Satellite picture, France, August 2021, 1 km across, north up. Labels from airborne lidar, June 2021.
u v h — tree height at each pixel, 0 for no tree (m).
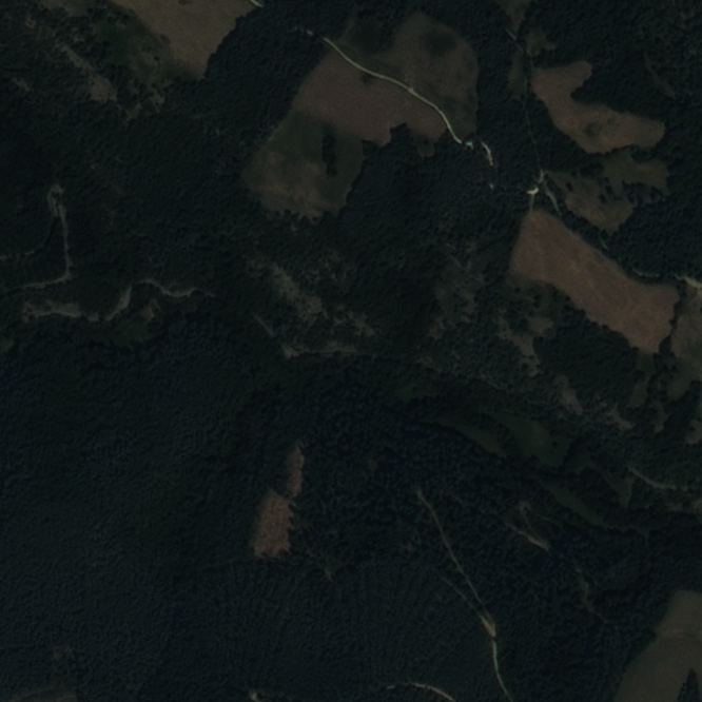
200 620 17
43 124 15
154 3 0
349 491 16
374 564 12
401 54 0
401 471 32
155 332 6
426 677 13
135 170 14
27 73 13
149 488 14
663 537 17
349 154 0
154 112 8
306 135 0
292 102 8
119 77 10
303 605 16
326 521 16
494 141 12
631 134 0
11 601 14
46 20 11
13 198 11
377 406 35
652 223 19
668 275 16
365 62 0
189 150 12
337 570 0
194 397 16
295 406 18
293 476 13
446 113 0
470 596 25
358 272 10
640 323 0
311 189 0
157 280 10
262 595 10
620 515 18
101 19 15
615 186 0
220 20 0
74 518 14
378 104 0
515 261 0
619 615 12
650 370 0
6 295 11
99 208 16
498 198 7
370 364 15
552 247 0
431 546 12
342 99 0
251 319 16
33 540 14
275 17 17
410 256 15
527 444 0
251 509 13
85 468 14
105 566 12
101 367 23
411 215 25
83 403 23
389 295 13
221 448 21
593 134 0
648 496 16
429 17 8
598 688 14
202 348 23
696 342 0
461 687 12
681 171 18
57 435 25
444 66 0
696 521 16
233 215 14
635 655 13
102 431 22
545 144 7
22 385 22
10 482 17
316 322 7
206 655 17
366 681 7
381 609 15
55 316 9
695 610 0
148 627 17
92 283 10
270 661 16
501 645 11
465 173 13
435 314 16
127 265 15
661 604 12
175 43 0
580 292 0
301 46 13
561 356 14
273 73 20
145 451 17
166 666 18
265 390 8
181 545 27
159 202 16
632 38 19
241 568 17
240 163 14
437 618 12
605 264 0
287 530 19
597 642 28
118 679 15
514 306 9
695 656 0
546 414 14
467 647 14
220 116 12
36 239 23
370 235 12
